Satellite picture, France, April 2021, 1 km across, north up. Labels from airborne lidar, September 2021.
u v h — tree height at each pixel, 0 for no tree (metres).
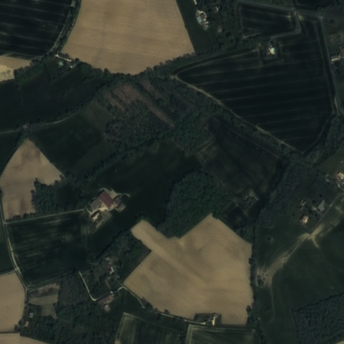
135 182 0
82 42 0
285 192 12
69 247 0
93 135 0
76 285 22
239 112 0
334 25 20
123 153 20
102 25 0
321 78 0
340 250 0
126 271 0
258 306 16
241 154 0
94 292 8
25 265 0
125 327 0
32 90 0
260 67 0
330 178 9
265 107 0
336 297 13
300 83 0
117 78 15
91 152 0
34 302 0
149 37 0
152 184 0
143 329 0
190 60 14
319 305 12
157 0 0
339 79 0
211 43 0
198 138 19
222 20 15
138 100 19
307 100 0
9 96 0
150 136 17
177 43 0
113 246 15
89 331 6
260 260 0
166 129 19
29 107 0
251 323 14
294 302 0
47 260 0
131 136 17
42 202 23
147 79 15
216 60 0
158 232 11
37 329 6
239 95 0
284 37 0
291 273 0
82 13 0
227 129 0
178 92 17
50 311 0
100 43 0
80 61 9
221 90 0
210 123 0
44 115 0
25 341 0
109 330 0
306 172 16
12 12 0
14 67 0
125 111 14
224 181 0
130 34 0
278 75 0
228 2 12
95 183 0
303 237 0
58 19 0
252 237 7
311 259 0
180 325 0
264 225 10
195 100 20
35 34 0
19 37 0
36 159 0
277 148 15
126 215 0
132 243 20
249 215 0
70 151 0
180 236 14
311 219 8
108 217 0
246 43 18
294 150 0
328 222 0
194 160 0
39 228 0
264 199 0
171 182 0
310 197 0
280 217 0
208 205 22
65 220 0
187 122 19
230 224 0
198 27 0
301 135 0
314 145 0
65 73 8
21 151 0
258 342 0
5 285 0
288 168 15
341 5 21
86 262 0
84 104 9
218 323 0
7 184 0
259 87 0
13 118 0
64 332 8
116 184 0
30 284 0
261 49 0
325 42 0
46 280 0
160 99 17
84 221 0
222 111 16
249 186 0
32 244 0
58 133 0
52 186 11
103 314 0
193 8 0
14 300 0
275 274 0
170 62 11
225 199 22
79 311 24
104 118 0
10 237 0
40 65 21
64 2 0
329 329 17
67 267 0
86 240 0
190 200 15
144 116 17
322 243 0
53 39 0
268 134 0
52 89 0
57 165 12
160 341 0
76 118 0
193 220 13
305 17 0
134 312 0
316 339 16
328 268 0
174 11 0
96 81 0
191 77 0
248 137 0
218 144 0
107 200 0
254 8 0
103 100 16
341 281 0
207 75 0
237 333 0
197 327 0
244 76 0
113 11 0
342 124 15
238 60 0
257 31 0
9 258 0
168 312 9
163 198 0
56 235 0
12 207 0
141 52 0
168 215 10
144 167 0
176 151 0
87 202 6
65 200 0
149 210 0
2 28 0
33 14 0
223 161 0
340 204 0
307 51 0
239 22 0
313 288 0
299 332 15
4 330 0
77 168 0
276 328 0
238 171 0
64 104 0
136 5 0
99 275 0
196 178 23
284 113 0
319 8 14
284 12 0
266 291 0
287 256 0
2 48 0
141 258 0
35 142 17
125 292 21
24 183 0
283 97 0
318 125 0
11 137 0
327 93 0
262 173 0
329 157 12
